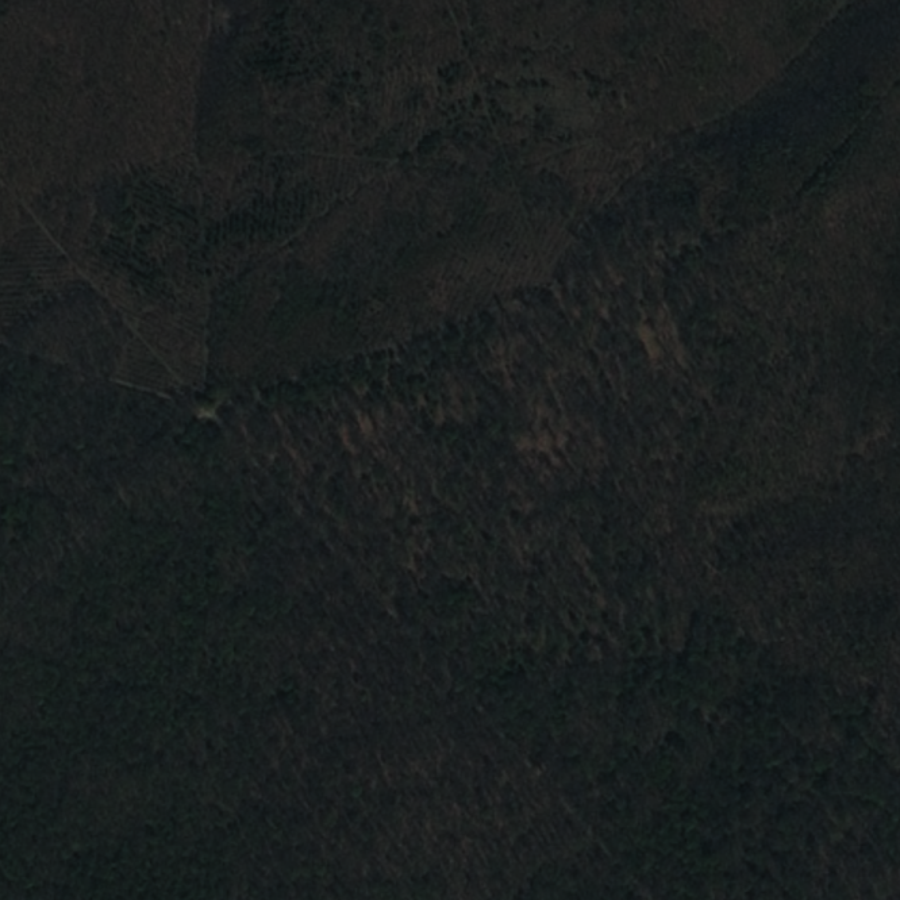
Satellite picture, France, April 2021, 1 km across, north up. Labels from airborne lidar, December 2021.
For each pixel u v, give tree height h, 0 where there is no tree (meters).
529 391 26
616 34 11
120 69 13
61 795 13
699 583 22
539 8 9
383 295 8
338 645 28
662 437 30
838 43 8
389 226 13
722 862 18
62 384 20
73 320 24
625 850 20
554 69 8
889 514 11
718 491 16
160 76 14
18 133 14
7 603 25
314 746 26
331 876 22
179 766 27
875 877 32
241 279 9
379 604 25
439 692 30
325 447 31
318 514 27
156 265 11
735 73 14
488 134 7
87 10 11
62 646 23
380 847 26
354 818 27
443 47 7
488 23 10
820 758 18
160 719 21
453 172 6
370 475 32
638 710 25
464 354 12
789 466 17
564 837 28
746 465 14
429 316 7
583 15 12
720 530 25
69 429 20
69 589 19
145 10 12
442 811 29
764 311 20
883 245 17
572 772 26
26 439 23
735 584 20
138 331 0
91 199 9
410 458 29
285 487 27
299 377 8
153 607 20
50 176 12
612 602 30
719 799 18
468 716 29
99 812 16
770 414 18
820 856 35
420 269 10
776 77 7
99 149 12
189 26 11
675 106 12
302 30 8
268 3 6
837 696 32
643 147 12
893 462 11
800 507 18
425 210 15
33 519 24
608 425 29
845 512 13
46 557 24
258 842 24
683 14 11
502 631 25
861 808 25
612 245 28
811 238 17
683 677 19
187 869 19
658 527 14
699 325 25
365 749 27
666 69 8
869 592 18
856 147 9
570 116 0
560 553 28
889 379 12
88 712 18
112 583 21
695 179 8
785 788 32
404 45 6
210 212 6
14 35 13
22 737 12
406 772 31
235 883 20
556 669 28
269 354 9
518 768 34
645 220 26
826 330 16
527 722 26
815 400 18
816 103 13
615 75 7
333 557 29
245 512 26
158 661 21
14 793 16
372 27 13
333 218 9
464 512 29
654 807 17
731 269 18
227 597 23
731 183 7
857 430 16
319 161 8
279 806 26
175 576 17
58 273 8
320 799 25
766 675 21
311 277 10
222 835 20
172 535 17
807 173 8
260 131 10
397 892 22
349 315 9
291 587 28
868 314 17
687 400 17
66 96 14
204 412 0
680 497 19
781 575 19
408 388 11
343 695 28
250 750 19
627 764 29
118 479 24
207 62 15
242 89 15
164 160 10
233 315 9
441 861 26
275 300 10
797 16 13
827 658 22
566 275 23
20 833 23
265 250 7
